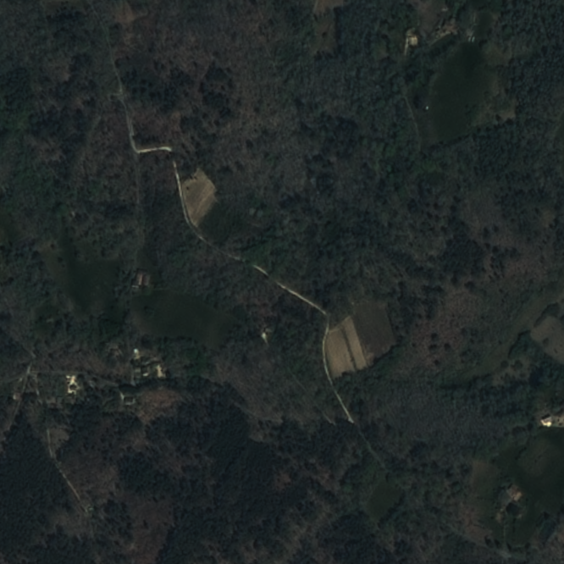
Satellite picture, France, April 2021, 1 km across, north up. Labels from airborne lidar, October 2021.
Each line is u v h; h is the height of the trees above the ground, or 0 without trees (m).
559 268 12
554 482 0
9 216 16
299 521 17
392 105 20
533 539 0
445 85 0
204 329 0
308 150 16
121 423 16
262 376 23
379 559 10
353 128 15
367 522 18
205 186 0
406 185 24
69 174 24
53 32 17
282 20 15
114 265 0
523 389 22
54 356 10
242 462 22
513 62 11
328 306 17
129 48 0
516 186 21
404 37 0
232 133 9
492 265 8
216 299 9
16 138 19
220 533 23
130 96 7
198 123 15
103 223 14
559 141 15
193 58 10
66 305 17
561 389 11
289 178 18
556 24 20
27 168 24
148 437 16
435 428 23
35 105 16
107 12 18
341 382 10
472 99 0
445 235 16
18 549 26
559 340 0
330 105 11
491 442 17
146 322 0
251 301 13
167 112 14
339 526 11
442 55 19
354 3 17
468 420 20
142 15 17
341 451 21
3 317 8
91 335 12
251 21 7
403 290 19
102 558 26
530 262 12
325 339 13
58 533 12
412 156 23
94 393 14
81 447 6
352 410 11
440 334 7
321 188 21
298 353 14
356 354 0
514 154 25
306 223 14
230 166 18
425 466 10
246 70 16
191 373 15
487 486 0
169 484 20
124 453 10
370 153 21
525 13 9
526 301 11
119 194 11
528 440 8
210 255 14
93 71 19
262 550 26
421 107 19
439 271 18
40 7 10
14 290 16
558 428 0
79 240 8
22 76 28
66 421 13
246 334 9
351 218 16
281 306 9
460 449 23
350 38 23
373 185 27
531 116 15
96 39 17
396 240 13
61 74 15
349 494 9
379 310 0
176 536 21
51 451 9
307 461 21
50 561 27
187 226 15
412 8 14
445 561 10
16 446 26
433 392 20
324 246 8
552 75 25
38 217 21
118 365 13
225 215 11
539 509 0
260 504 14
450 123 0
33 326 6
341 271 13
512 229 9
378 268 19
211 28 13
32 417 13
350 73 21
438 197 7
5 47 25
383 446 17
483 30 0
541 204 22
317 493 17
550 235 13
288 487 9
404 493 8
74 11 7
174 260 19
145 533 15
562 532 12
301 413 21
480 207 14
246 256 19
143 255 0
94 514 14
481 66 0
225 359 11
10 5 28
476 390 15
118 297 10
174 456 6
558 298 0
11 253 11
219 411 24
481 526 0
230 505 16
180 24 7
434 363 9
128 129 14
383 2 27
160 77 12
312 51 14
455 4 22
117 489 12
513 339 0
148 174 7
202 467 17
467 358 21
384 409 21
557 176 22
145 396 7
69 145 24
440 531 17
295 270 14
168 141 14
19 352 26
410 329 13
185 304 0
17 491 26
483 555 11
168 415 18
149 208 7
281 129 11
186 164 14
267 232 10
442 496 5
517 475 0
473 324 16
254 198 15
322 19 9
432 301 15
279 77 18
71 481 6
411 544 11
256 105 10
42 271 14
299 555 17
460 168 19
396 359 18
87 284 0
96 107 15
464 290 10
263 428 19
